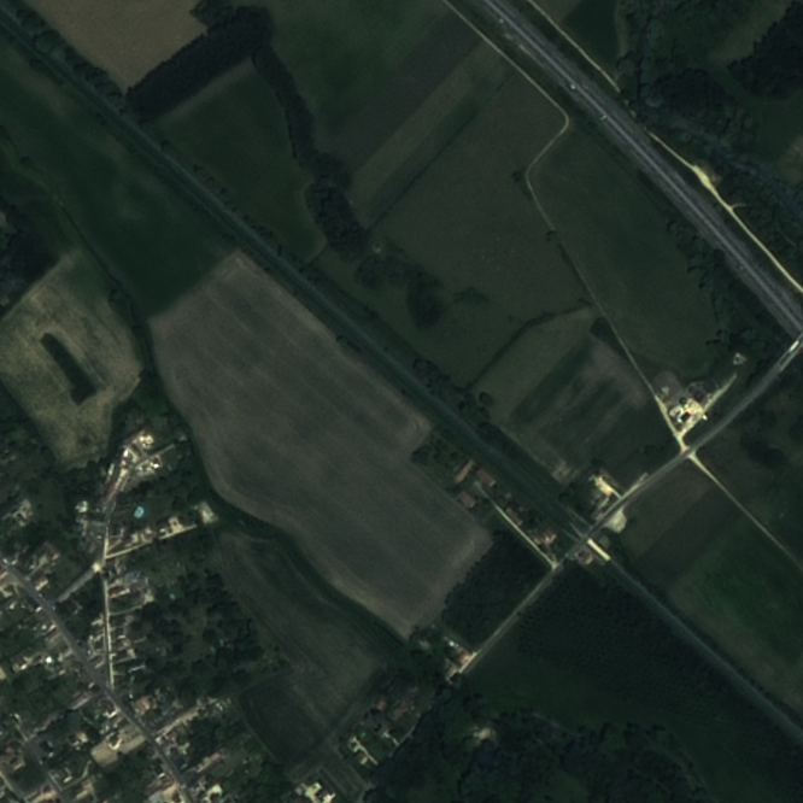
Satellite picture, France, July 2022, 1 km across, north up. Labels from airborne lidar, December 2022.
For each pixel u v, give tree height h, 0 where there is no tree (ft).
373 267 21
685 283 0
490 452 0
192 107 0
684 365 0
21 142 0
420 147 0
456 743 88
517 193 0
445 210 0
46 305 0
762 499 0
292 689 0
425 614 0
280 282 0
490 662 0
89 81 43
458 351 0
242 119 0
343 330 0
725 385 0
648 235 0
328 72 0
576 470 0
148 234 0
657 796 93
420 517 0
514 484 0
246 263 0
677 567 0
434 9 0
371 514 0
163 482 43
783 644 0
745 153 37
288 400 0
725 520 0
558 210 0
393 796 85
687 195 0
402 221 0
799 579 0
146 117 78
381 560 0
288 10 0
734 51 0
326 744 0
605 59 0
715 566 0
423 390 0
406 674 30
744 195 55
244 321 0
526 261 0
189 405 0
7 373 0
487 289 0
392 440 0
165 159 0
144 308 0
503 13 0
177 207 0
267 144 0
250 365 0
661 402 0
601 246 0
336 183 24
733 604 0
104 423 0
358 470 0
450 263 0
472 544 0
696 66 57
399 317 0
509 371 0
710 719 0
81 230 0
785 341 26
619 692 0
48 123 0
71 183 0
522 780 75
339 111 0
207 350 0
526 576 43
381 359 0
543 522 31
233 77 0
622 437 0
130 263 0
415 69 0
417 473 0
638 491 0
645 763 68
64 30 0
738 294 36
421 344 0
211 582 38
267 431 0
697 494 0
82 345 0
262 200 0
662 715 0
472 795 101
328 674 0
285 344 0
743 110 51
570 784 0
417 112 0
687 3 76
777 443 0
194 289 0
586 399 0
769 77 76
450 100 0
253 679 24
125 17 0
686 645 32
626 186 0
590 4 0
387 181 0
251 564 0
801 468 0
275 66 106
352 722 0
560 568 0
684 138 53
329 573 0
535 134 0
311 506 0
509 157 0
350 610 0
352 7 0
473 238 0
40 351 0
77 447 0
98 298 0
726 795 0
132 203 0
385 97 0
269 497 0
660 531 0
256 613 0
